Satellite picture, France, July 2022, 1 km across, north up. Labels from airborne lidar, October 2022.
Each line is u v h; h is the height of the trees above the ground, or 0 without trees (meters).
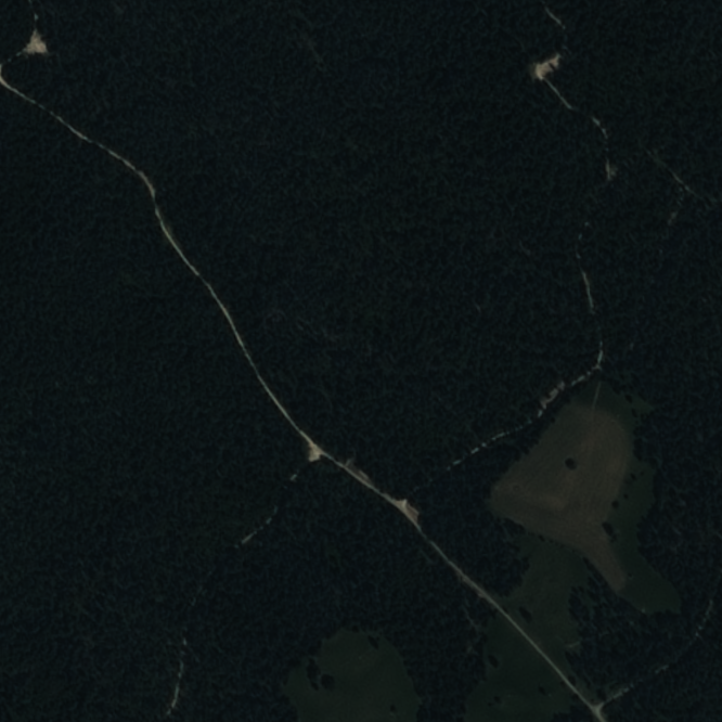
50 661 21
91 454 15
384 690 0
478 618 22
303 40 17
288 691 0
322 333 26
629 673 28
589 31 20
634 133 21
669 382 29
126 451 17
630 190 15
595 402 0
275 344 27
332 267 20
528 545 0
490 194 30
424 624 28
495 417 21
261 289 12
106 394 14
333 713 0
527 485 0
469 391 16
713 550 18
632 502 0
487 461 13
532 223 20
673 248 25
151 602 27
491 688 0
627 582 0
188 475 29
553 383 9
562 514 0
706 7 14
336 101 21
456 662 22
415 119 23
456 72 30
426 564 28
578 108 7
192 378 10
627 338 19
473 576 11
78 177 20
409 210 20
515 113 18
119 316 16
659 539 15
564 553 0
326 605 21
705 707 16
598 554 0
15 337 8
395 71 28
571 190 23
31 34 7
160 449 17
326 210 23
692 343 17
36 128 17
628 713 24
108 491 20
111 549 24
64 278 19
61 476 14
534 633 0
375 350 11
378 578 17
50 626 19
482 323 21
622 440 0
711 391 28
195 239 9
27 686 19
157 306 10
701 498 16
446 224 22
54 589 15
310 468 17
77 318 11
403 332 20
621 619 11
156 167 16
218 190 18
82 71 14
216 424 17
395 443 24
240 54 18
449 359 21
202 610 22
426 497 20
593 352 17
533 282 23
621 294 19
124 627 24
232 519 7
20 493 18
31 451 19
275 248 21
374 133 19
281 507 12
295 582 20
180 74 22
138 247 27
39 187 19
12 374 15
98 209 27
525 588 0
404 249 22
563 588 0
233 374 23
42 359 22
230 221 24
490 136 18
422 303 21
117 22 26
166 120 23
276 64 19
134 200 16
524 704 0
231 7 19
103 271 26
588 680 13
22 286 20
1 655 11
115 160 12
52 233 22
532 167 24
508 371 24
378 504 7
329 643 0
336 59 19
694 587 20
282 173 27
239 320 12
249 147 11
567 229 22
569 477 0
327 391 11
